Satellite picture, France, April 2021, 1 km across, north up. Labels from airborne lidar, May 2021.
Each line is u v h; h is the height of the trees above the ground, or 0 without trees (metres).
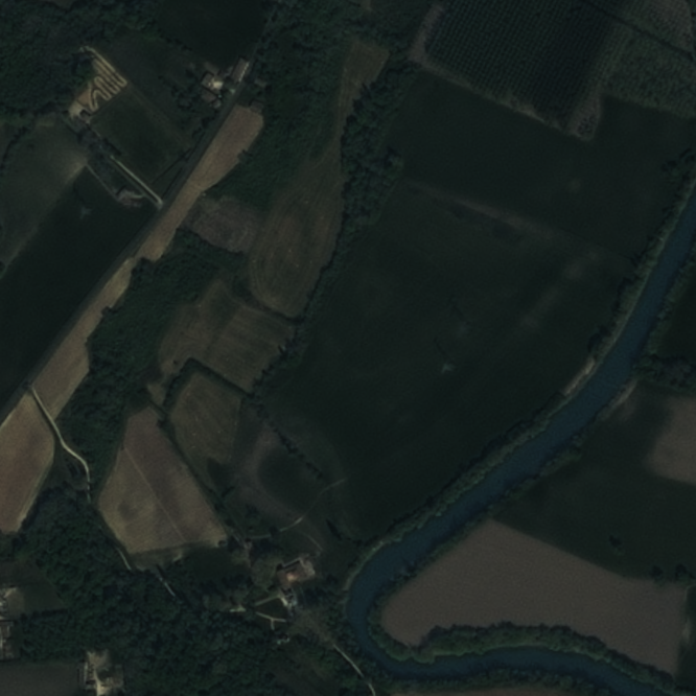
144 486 0
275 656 9
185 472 0
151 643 27
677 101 24
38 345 0
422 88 0
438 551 15
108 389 17
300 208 0
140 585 18
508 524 0
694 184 18
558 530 0
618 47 24
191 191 0
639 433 0
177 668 28
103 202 0
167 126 0
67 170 0
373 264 0
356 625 0
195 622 17
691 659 0
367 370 0
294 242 0
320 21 17
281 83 6
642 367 17
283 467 0
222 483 0
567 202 0
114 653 0
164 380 0
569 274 0
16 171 0
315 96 15
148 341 8
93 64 19
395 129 0
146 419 0
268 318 0
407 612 0
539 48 22
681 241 0
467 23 23
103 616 11
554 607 0
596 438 0
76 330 0
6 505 0
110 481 0
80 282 0
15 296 0
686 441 0
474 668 0
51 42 16
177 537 0
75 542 25
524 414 0
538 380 0
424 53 22
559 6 23
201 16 0
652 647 0
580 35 25
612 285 0
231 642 27
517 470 0
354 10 10
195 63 0
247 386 0
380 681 19
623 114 0
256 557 21
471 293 0
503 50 22
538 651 0
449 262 0
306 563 0
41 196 0
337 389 0
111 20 15
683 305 0
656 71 23
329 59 13
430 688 14
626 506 0
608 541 0
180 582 6
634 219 0
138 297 6
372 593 0
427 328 0
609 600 0
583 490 0
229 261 0
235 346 0
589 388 0
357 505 0
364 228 8
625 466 0
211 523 0
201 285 7
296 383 0
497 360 0
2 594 0
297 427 0
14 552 7
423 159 0
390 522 0
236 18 0
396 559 0
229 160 0
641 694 0
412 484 0
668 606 0
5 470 0
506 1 21
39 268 0
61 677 0
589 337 0
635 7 27
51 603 0
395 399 0
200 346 0
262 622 0
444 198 0
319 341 0
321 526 0
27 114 21
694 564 0
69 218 0
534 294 0
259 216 0
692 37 22
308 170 0
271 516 0
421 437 0
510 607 0
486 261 0
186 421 0
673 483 0
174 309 6
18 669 0
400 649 15
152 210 0
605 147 0
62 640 14
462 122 0
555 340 0
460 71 21
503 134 0
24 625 14
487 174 0
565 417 0
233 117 0
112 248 0
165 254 0
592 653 17
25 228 0
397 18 7
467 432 0
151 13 17
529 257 0
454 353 0
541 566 0
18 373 0
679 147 0
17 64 9
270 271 0
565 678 18
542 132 0
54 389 0
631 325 0
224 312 0
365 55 0
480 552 0
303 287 0
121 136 0
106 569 26
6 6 14
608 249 0
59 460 0
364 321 0
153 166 0
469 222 0
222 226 0
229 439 0
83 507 17
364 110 22
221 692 23
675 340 0
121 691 0
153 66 0
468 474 16
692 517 0
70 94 20
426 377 0
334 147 0
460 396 0
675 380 9
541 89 22
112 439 10
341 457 0
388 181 19
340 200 0
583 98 21
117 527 0
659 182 0
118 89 0
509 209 0
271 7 15
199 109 12
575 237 0
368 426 0
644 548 0
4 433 0
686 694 13
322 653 24
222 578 0
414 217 0
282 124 6
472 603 0
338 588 16
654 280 0
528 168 0
